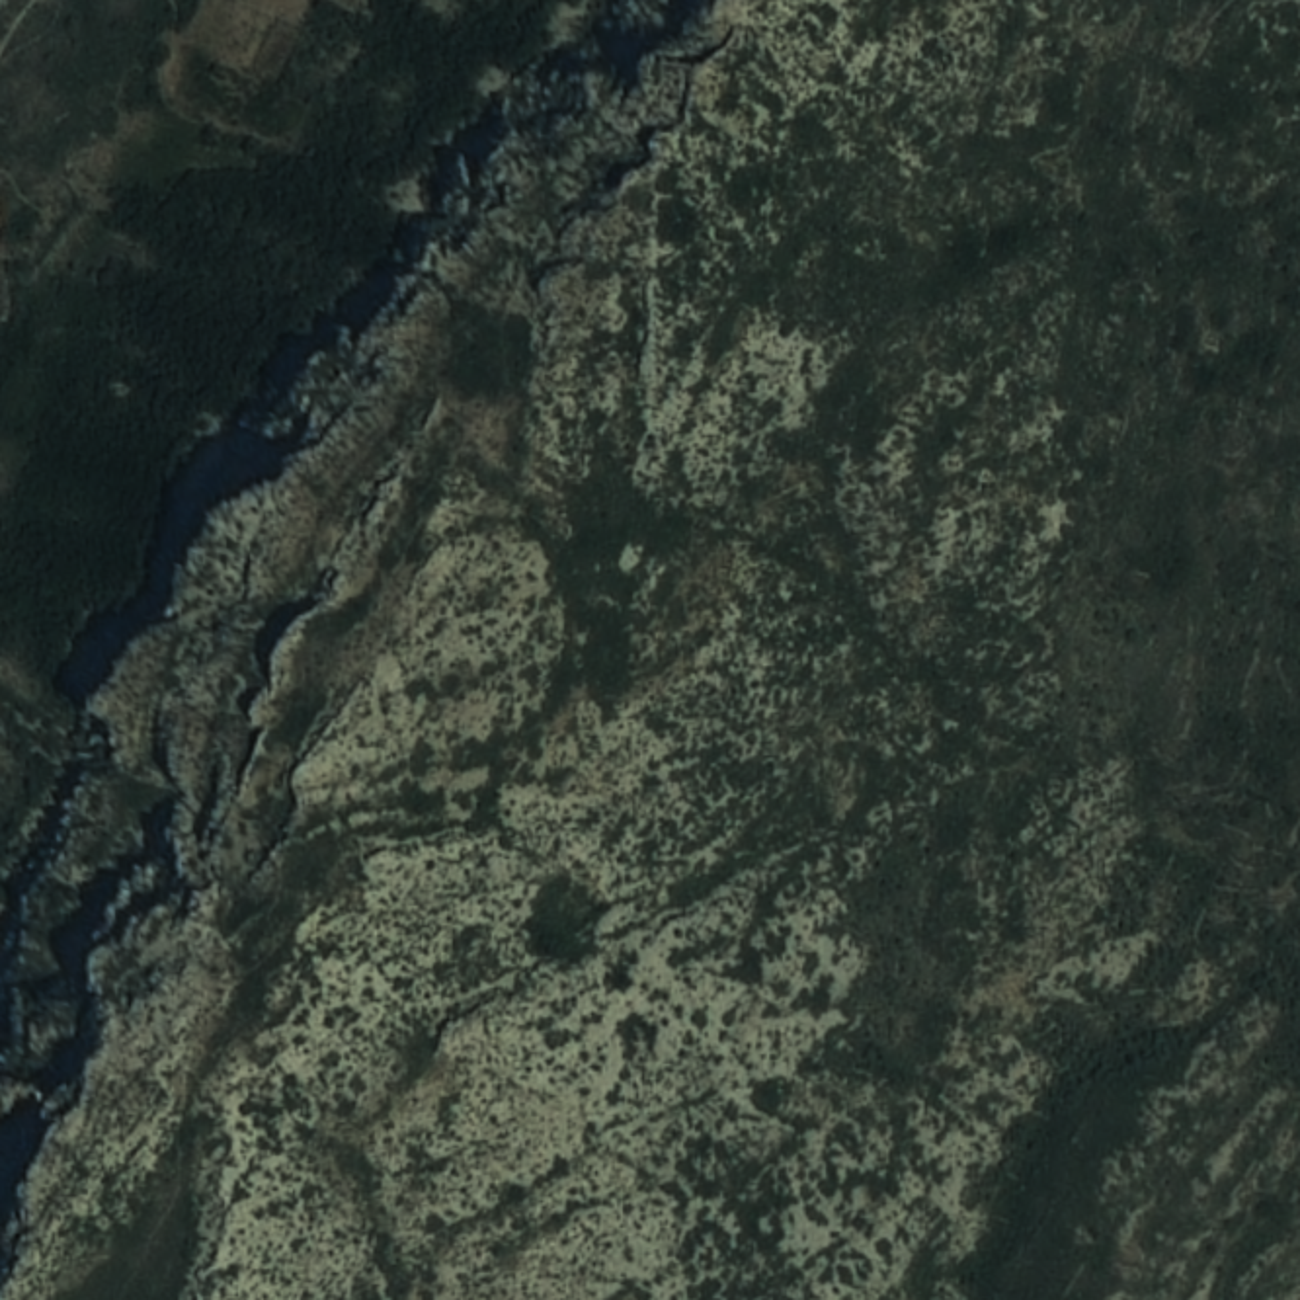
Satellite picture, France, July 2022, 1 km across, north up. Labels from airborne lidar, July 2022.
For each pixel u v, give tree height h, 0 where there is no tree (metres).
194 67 0
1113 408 5
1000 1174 10
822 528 0
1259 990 8
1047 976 0
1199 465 0
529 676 0
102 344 6
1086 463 6
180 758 0
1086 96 0
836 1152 0
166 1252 0
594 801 0
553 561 0
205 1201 0
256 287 6
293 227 10
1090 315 0
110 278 13
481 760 0
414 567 0
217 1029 0
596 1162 0
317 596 0
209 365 10
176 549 7
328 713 0
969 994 0
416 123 7
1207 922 6
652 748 0
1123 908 6
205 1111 0
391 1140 0
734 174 6
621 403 0
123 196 6
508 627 0
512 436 0
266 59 0
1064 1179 0
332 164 7
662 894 0
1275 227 6
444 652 0
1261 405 7
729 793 0
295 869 0
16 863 7
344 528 0
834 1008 0
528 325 0
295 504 0
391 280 10
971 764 0
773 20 0
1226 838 0
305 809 0
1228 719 6
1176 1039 8
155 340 8
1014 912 0
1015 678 0
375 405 0
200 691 0
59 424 6
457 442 0
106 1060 0
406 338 0
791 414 0
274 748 0
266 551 0
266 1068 0
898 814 0
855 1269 0
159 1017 0
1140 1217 0
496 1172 0
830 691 0
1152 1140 0
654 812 0
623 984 7
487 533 0
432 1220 0
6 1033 6
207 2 0
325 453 0
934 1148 0
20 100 0
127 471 8
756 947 0
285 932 0
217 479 7
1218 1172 0
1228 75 0
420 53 9
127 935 0
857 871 0
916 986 6
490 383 0
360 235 9
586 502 0
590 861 0
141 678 0
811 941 0
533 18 9
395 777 0
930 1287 0
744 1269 0
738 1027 0
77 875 0
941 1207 0
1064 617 0
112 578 7
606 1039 0
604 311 0
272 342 9
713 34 0
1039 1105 8
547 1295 0
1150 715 0
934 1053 0
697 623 0
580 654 0
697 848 0
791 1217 0
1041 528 0
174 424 7
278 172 9
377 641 0
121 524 7
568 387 0
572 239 0
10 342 7
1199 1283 0
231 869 0
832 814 0
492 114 6
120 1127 0
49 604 6
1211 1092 0
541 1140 0
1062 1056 12
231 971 0
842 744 0
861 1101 0
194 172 9
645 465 0
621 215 0
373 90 6
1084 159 0
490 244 0
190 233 8
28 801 7
